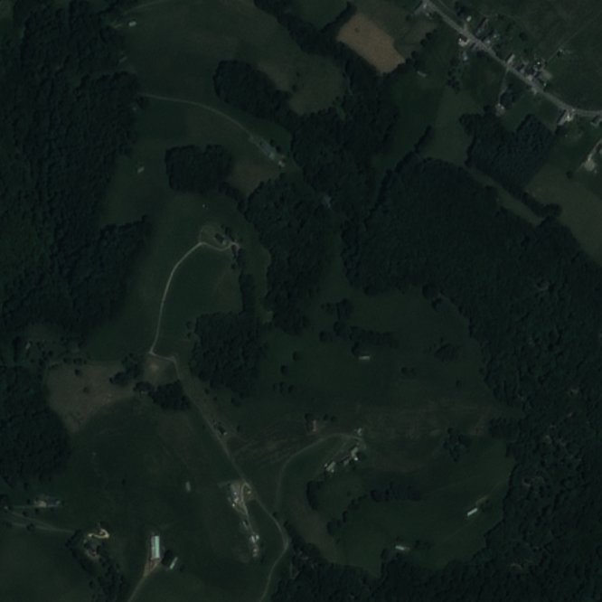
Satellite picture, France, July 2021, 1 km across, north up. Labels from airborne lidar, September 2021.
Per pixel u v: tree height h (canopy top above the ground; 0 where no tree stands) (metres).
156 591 0
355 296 0
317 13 0
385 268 30
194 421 0
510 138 29
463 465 0
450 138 0
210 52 0
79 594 0
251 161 0
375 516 0
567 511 40
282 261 28
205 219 0
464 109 0
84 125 22
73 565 0
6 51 23
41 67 16
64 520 0
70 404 0
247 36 0
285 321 18
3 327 26
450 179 31
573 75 0
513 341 28
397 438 0
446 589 10
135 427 0
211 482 0
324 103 0
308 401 0
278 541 0
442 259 20
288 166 0
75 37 30
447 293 20
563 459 37
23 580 0
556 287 32
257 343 23
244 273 10
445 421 0
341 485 0
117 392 0
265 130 0
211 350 12
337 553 0
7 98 25
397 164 0
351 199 33
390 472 0
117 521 0
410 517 0
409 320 0
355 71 22
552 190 0
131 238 28
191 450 0
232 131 0
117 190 0
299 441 0
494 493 0
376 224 28
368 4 0
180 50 0
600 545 13
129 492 0
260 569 0
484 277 21
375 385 0
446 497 0
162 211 0
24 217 18
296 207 12
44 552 0
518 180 27
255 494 0
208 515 0
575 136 0
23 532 0
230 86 34
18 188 10
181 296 0
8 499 20
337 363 0
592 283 35
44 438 31
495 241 27
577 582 0
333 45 23
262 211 28
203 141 0
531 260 32
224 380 18
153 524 0
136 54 0
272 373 0
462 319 0
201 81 0
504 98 18
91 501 0
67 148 21
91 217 23
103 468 0
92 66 27
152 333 0
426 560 0
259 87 35
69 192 21
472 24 0
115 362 0
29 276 25
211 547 0
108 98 20
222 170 26
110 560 13
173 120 0
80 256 29
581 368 27
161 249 0
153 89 0
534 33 0
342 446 0
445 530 0
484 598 30
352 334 14
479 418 0
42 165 24
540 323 29
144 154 0
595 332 30
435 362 0
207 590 0
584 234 0
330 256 8
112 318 17
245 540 0
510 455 16
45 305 27
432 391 0
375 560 0
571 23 0
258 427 0
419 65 17
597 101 0
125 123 22
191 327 10
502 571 38
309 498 11
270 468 0
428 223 24
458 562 10
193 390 0
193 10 0
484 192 30
